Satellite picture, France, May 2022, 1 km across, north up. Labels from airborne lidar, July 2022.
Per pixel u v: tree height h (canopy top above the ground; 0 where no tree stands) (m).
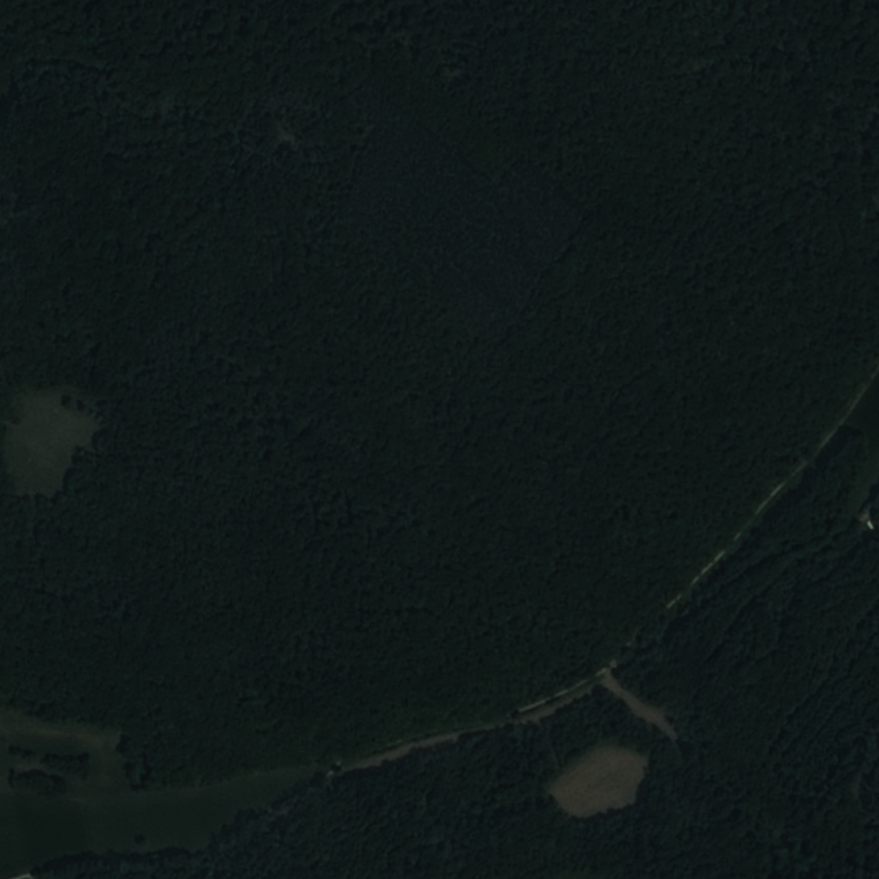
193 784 18
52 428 0
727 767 22
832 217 19
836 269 17
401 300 15
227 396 19
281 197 20
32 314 19
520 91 17
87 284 23
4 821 0
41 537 16
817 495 20
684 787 24
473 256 10
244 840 22
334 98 15
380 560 18
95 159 25
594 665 16
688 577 20
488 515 19
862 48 30
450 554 17
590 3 19
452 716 21
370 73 10
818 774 10
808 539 12
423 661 18
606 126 14
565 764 8
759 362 21
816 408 18
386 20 15
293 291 21
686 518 14
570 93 18
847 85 20
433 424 16
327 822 15
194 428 12
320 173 30
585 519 16
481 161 8
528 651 15
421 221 11
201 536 17
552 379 18
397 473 22
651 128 17
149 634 20
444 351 13
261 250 22
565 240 10
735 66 20
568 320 16
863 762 27
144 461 16
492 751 17
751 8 19
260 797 0
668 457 20
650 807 27
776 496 0
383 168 14
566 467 19
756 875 24
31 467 0
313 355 18
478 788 11
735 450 18
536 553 18
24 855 0
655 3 15
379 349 16
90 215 27
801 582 18
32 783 18
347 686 18
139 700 22
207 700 20
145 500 13
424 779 23
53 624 18
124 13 19
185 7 19
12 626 16
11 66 21
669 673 19
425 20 21
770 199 18
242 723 17
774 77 19
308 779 0
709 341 21
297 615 15
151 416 17
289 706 20
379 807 25
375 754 8
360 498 22
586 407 20
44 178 22
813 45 21
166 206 24
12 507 14
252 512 19
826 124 22
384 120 14
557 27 18
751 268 20
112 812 0
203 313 19
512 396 18
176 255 27
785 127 20
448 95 9
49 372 13
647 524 23
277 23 25
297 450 20
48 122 27
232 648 15
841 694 9
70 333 23
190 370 14
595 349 15
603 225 17
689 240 17
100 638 21
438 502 19
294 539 20
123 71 27
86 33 19
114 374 23
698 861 21
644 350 17
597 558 19
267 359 19
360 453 23
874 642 9
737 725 18
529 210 9
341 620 19
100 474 16
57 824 0
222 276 16
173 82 25
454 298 10
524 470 19
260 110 20
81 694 18
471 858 22
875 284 19
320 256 19
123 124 19
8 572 15
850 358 17
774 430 11
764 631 22
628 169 16
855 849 28
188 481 21
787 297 17
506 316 8
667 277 17
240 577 19
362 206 14
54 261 24
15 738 0
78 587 14
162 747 25
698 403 18
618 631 16
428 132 12
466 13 22
